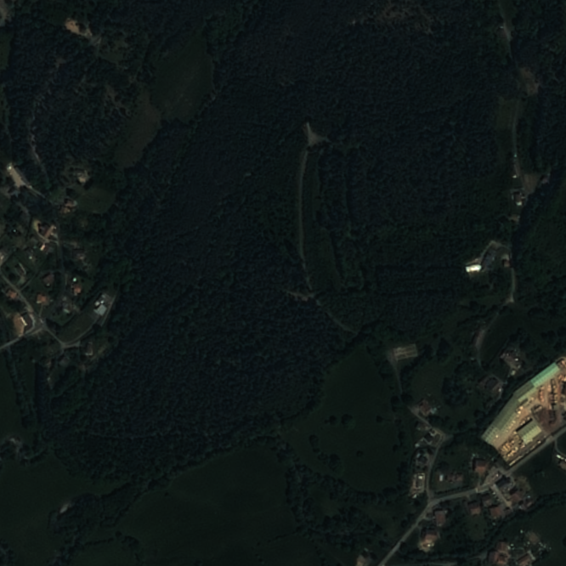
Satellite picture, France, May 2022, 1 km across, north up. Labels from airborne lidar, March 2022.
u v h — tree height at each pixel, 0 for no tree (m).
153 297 19
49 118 26
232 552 0
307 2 17
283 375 28
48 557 0
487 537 6
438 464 0
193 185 14
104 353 0
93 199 0
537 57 28
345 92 25
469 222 7
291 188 7
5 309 0
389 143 22
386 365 25
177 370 27
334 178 22
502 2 0
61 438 21
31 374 0
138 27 7
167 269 17
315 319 28
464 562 15
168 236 17
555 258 0
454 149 30
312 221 6
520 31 21
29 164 23
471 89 24
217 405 28
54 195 18
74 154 21
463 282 11
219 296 25
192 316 28
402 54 25
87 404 18
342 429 0
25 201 15
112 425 11
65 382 14
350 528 20
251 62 23
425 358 9
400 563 0
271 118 14
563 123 14
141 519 0
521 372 0
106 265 20
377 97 28
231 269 20
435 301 23
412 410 0
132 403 27
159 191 26
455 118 20
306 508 14
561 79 29
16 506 0
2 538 0
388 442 0
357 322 15
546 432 0
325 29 19
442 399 0
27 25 20
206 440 26
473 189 7
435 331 9
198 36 0
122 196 20
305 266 32
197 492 0
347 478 0
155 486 18
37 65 20
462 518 7
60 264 9
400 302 22
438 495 5
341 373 0
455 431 7
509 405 0
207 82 0
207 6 32
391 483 0
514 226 8
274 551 0
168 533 0
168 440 17
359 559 0
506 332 0
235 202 17
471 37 18
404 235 6
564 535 0
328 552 0
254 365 32
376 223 25
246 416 8
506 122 0
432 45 22
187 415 23
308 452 0
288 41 15
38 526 0
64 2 6
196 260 16
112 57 0
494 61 19
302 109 21
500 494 0
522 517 20
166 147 23
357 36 25
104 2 10
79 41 15
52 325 24
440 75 23
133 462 15
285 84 17
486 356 0
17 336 0
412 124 29
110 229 26
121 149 0
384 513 0
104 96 9
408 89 29
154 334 23
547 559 9
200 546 0
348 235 25
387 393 0
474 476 0
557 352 18
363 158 28
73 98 29
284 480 0
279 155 12
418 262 11
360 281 24
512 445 0
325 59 22
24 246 0
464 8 28
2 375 0
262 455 0
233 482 0
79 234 16
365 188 29
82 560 0
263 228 15
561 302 28
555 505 13
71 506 0
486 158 25
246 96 9
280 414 16
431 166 26
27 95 28
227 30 18
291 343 28
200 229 17
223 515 0
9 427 0
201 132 13
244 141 10
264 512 0
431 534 0
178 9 36
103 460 10
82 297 7
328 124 7
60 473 0
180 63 0
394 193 30
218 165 11
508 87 26
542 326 0
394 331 24
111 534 0
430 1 17
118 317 16
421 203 27
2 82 22
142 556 16
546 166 21
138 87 6
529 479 0
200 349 21
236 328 26
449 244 8
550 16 20
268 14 11
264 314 30
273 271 32
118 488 0
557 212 11
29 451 18
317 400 13
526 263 24
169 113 0
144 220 21
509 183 7
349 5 18
